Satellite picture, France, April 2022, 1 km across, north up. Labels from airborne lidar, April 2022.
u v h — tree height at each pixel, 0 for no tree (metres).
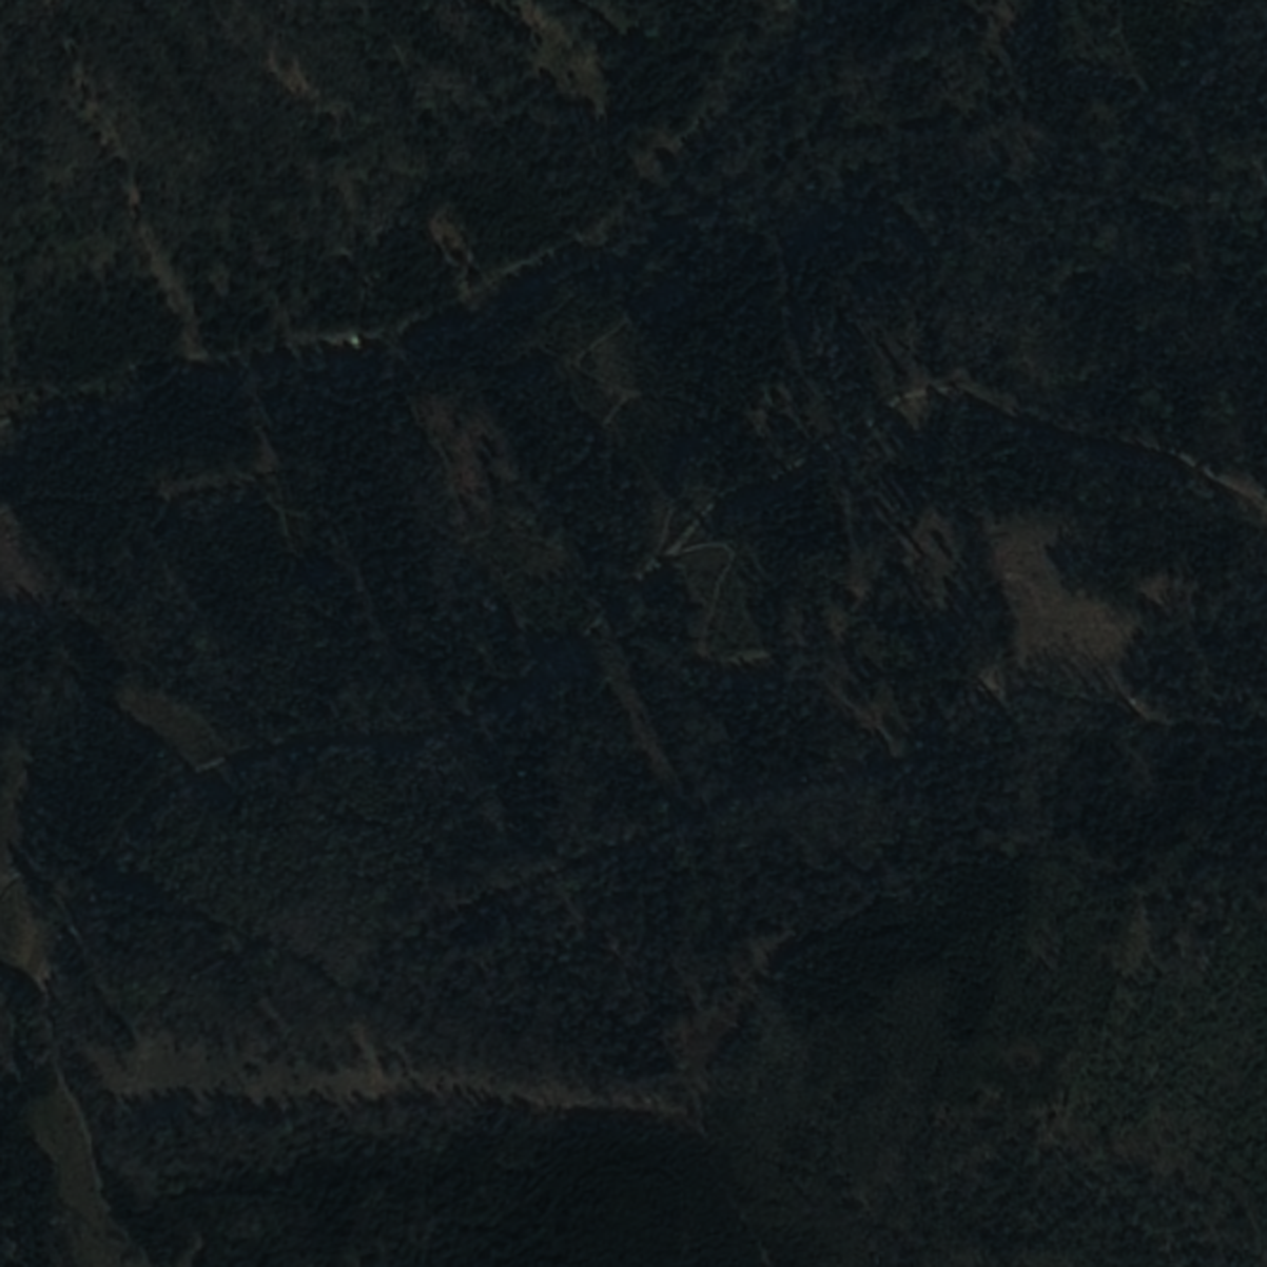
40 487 20
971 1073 13
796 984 9
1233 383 24
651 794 33
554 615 6
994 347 18
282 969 25
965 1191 17
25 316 26
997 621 28
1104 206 9
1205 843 15
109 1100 20
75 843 19
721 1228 12
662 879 29
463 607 31
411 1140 19
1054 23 25
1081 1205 9
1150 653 21
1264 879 23
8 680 16
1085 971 13
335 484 24
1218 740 19
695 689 22
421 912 29
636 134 30
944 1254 14
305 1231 23
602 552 27
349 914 22
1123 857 17
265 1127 21
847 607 24
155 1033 25
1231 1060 12
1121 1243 13
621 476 15
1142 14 9
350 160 22
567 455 19
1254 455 20
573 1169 21
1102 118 9
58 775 16
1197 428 23
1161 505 18
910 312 29
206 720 18
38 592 0
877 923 14
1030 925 15
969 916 15
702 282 18
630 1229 16
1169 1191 18
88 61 13
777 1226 8
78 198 18
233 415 21
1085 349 22
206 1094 0
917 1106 14
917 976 15
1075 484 18
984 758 28
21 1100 27
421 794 21
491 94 26
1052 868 14
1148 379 23
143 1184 18
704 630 19
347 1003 24
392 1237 19
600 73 12
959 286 17
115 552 22
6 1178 27
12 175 25
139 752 22
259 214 26
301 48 25
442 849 22
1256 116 26
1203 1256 16
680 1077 20
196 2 26
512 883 23
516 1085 23
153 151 23
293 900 23
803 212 16
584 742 29
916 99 22
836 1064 13
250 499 15
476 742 23
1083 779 20
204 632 24
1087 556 29
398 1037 21
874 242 31
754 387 13
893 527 32
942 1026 14
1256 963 13
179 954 27
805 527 10
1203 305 24
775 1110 12
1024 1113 10
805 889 27
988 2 7
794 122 21
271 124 28
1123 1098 14
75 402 16
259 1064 6
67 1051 19
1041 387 21
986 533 24
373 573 27
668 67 33
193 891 20
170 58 29
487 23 23
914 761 28
